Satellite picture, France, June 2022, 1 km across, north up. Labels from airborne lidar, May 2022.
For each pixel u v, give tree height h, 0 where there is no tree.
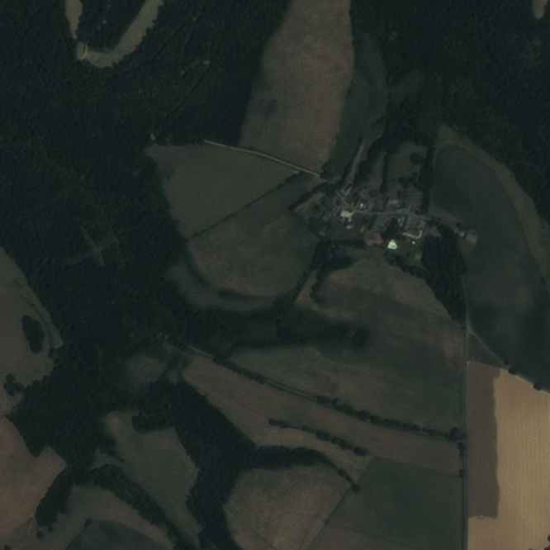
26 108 17
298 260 0
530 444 0
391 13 20
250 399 0
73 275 22
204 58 14
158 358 0
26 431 7
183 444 10
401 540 0
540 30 10
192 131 12
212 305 0
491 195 0
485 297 0
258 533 0
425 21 17
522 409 0
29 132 17
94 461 14
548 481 0
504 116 19
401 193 12
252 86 11
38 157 16
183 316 22
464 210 0
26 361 0
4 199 18
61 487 10
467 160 0
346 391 0
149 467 0
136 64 17
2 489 0
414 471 0
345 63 0
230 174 0
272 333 0
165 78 17
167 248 19
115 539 0
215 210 0
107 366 6
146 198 10
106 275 14
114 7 15
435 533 0
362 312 0
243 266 0
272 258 0
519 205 0
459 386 0
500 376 0
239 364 0
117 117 13
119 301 12
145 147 14
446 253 26
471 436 0
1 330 0
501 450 0
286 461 11
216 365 9
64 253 20
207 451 13
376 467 0
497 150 20
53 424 8
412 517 0
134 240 21
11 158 14
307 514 0
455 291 23
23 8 12
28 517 0
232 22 17
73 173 11
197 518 14
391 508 0
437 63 14
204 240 0
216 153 0
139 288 17
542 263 0
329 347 0
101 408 8
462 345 0
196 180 0
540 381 0
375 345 0
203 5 15
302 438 0
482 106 26
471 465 0
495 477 0
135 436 0
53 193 15
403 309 0
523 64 9
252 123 0
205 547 20
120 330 16
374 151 18
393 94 10
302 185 0
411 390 0
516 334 0
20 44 10
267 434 0
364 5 16
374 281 0
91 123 10
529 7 14
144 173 16
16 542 0
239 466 10
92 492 0
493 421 0
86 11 16
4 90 11
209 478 16
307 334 0
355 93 0
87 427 8
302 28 0
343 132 0
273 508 0
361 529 0
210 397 0
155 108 14
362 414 9
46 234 19
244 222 0
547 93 18
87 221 11
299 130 0
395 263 14
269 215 0
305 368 0
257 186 0
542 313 0
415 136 14
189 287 0
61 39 17
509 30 11
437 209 0
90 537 0
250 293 0
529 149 29
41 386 12
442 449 0
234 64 15
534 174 22
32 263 22
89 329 18
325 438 14
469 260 0
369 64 0
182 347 11
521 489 0
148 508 10
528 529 0
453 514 0
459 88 16
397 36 19
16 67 16
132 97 18
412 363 0
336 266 24
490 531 0
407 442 0
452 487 0
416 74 5
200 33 21
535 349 0
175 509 0
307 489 0
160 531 0
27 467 0
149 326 12
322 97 0
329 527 0
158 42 19
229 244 0
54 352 18
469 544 0
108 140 16
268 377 0
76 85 15
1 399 0
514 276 0
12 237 23
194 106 14
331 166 11
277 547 0
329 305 0
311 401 0
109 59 0
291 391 0
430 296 0
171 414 13
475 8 24
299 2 0
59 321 20
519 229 0
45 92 14
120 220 18
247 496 0
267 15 19
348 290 0
